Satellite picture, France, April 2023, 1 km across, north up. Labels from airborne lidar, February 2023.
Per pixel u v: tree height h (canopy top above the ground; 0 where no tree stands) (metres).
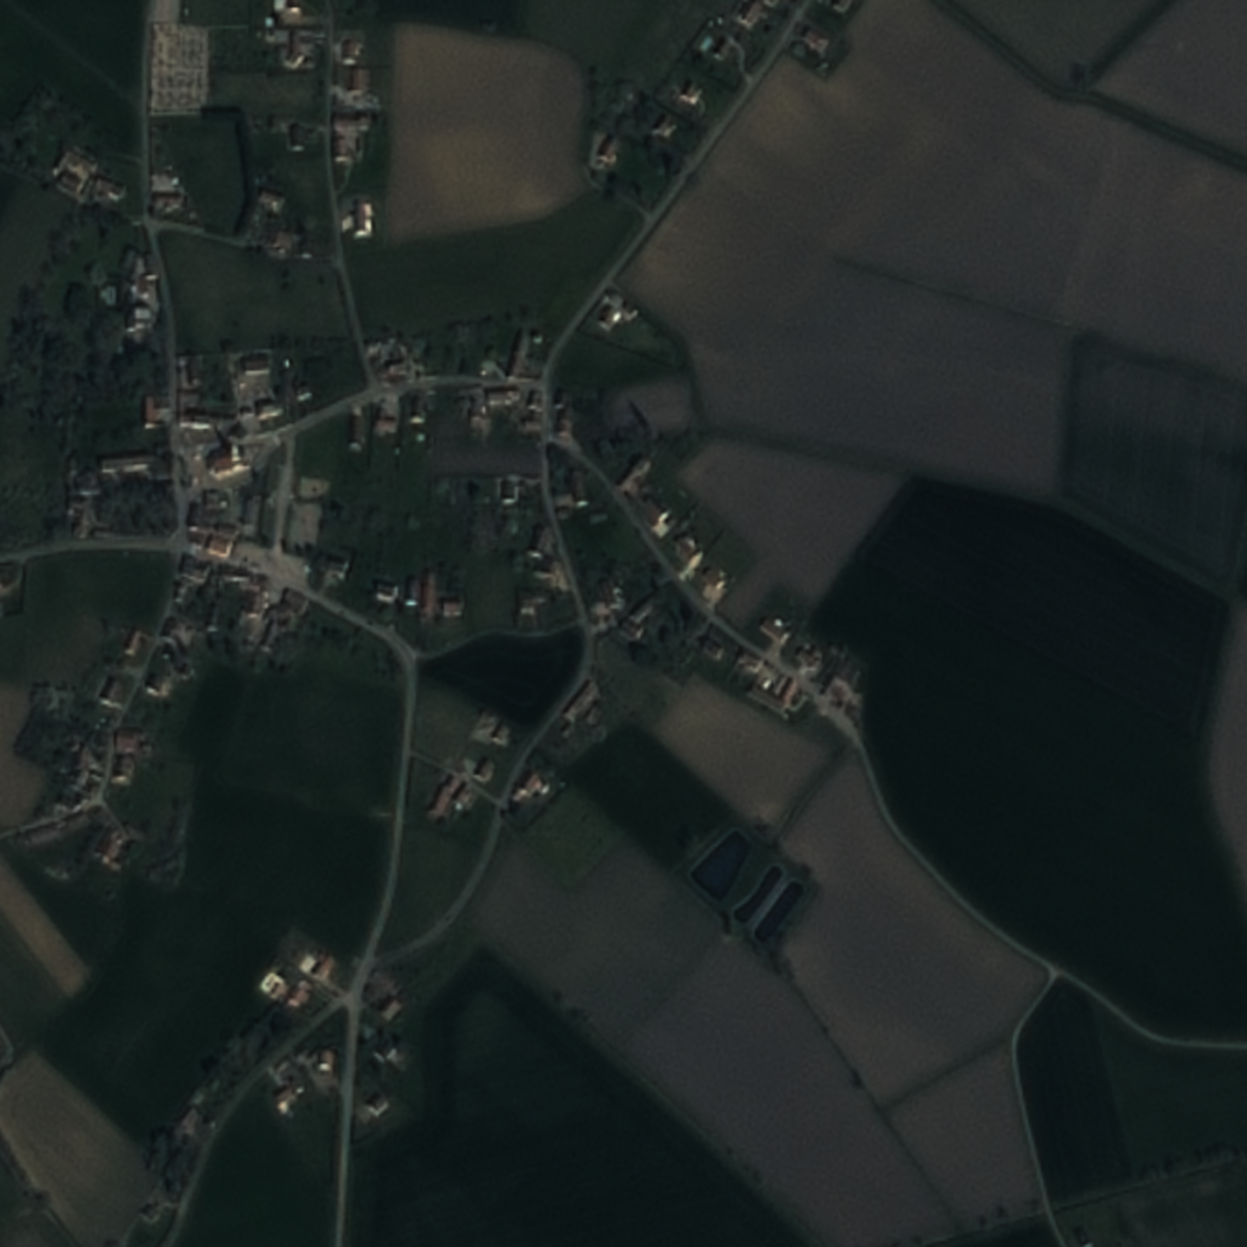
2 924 0
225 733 0
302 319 0
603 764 0
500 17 0
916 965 0
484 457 0
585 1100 0
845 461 0
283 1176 0
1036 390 0
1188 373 0
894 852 0
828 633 0
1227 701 0
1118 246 0
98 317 11
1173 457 0
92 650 0
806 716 0
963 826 0
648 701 0
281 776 0
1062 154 0
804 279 0
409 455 0
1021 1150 0
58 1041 0
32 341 12
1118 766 0
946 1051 0
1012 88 0
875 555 0
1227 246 0
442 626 9
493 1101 0
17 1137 0
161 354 20
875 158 0
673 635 12
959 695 0
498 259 0
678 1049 0
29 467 0
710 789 0
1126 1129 0
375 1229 0
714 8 0
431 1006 0
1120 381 0
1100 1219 0
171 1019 0
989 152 0
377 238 0
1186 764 0
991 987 0
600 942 0
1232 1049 0
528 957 0
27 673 0
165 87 0
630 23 0
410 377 7
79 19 0
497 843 0
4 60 0
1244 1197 0
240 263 0
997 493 0
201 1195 0
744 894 0
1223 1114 0
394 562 0
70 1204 0
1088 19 0
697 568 0
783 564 0
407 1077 0
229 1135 0
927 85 0
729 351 0
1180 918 0
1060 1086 0
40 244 0
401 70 0
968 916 0
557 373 0
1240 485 0
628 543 0
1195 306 0
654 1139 0
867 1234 0
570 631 0
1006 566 0
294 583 0
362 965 0
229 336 0
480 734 0
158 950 0
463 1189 0
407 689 0
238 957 0
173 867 7
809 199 0
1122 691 0
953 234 0
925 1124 0
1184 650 0
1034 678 0
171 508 21
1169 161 0
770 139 0
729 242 0
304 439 0
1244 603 0
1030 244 0
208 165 0
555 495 7
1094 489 0
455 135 0
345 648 8
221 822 0
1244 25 0
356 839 0
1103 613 0
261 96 0
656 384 0
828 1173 0
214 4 0
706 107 0
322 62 0
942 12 0
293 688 0
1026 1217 0
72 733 6
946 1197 0
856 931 0
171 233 0
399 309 0
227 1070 8
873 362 0
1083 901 0
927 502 0
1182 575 0
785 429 0
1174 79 0
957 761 0
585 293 0
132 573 0
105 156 8
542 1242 0
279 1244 0
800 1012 0
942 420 0
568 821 0
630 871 0
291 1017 15
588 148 0
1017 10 0
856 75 0
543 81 0
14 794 0
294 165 0
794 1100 0
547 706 0
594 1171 0
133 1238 0
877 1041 0
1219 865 0
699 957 0
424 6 0
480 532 12
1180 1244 0
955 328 0
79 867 9
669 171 16
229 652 12
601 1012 0
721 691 0
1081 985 0
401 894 0
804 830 0
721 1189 0
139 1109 0
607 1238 0
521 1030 0
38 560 0
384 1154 0
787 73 0
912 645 0
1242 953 0
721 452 0
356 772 0
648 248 0
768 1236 0
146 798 0
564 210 0
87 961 0
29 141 10
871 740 0
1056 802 0
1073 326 0
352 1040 0
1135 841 0
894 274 0
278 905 0
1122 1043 0
